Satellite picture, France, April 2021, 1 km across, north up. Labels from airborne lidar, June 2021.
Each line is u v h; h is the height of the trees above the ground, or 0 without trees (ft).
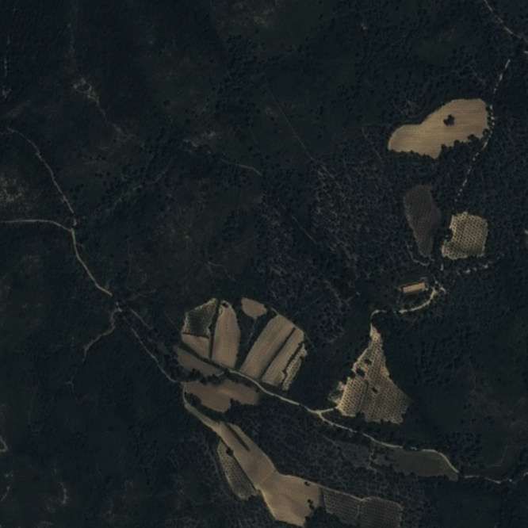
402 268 26
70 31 0
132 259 0
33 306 0
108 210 30
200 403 45
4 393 0
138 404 0
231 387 0
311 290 40
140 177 35
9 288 0
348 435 26
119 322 25
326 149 0
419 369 35
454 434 25
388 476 19
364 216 40
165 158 48
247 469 0
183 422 23
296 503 0
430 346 27
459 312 26
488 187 38
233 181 29
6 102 18
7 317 0
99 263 21
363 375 35
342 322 35
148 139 21
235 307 34
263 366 0
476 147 39
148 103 22
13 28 29
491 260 45
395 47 45
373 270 40
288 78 0
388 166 26
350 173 27
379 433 41
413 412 24
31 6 26
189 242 0
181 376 61
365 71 34
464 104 0
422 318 32
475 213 27
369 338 36
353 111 28
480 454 45
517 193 39
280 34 0
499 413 0
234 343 0
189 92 0
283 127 0
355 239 29
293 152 0
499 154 45
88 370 0
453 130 0
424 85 23
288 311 24
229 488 18
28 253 0
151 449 34
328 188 35
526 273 44
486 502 0
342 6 43
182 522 21
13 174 0
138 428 22
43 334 19
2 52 23
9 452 0
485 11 43
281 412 19
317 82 0
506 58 37
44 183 22
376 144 30
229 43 31
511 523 19
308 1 0
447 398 0
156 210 0
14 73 20
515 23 31
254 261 28
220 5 0
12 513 0
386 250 39
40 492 0
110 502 0
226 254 0
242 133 23
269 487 0
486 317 33
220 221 0
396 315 38
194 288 0
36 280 0
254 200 0
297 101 0
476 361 30
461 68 35
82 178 0
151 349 25
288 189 35
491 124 34
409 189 40
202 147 30
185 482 0
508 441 0
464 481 26
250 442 0
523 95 22
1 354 0
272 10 0
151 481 31
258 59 35
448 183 37
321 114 25
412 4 0
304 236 18
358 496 22
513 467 21
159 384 21
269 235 46
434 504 23
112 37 18
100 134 0
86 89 0
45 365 18
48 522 0
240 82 49
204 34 18
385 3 24
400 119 35
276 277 33
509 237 48
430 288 19
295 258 46
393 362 19
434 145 0
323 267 43
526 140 40
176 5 25
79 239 18
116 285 24
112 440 0
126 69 17
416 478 25
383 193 43
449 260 34
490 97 20
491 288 38
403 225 24
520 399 0
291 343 0
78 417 0
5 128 27
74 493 0
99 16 18
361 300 22
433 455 0
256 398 0
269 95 0
